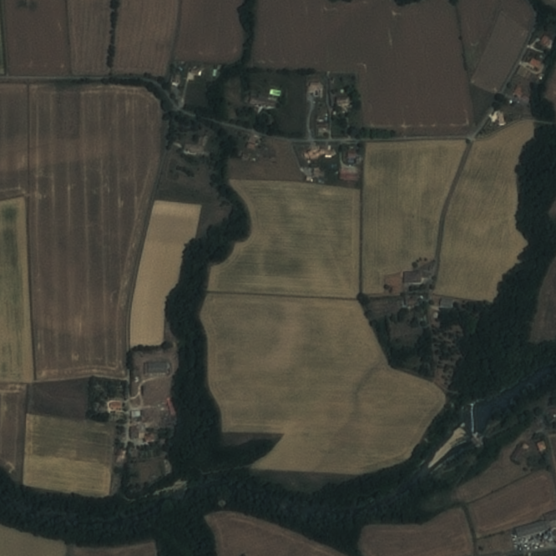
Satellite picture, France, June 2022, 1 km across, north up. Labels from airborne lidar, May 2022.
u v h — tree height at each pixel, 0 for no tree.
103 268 0
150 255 0
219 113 14
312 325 0
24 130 0
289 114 0
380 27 0
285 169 0
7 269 0
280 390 0
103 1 0
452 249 0
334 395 0
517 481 0
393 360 13
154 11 0
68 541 10
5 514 20
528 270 20
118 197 0
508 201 0
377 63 0
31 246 0
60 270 0
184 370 14
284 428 0
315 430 0
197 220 0
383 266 0
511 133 0
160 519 18
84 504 17
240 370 0
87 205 0
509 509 0
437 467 0
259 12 0
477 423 0
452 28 0
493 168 0
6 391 0
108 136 0
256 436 0
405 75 0
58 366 0
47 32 0
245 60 14
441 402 0
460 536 0
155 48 0
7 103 0
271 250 0
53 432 0
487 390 26
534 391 14
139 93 0
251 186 0
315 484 0
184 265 8
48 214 0
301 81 0
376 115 0
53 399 0
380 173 0
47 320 0
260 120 14
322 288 0
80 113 0
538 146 19
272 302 0
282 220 0
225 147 25
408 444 0
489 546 0
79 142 0
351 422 0
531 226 28
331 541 12
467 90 0
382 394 0
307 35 0
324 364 0
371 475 9
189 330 9
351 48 0
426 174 0
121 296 0
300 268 0
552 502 0
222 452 7
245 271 0
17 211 0
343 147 14
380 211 0
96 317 0
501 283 10
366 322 0
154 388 0
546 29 6
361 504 13
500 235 0
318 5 0
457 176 0
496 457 6
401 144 0
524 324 14
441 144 0
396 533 0
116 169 0
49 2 0
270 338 0
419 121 0
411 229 0
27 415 0
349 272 0
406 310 8
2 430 0
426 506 0
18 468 0
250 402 0
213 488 12
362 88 0
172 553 15
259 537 0
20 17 0
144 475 0
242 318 0
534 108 11
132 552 0
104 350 0
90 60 0
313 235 0
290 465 0
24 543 0
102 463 0
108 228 0
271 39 0
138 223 0
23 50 0
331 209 0
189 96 0
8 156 0
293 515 18
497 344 28
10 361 0
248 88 8
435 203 0
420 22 0
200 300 7
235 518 0
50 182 0
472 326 28
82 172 0
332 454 0
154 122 0
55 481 0
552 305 0
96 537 17
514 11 0
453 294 0
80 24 0
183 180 0
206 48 0
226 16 0
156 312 0
